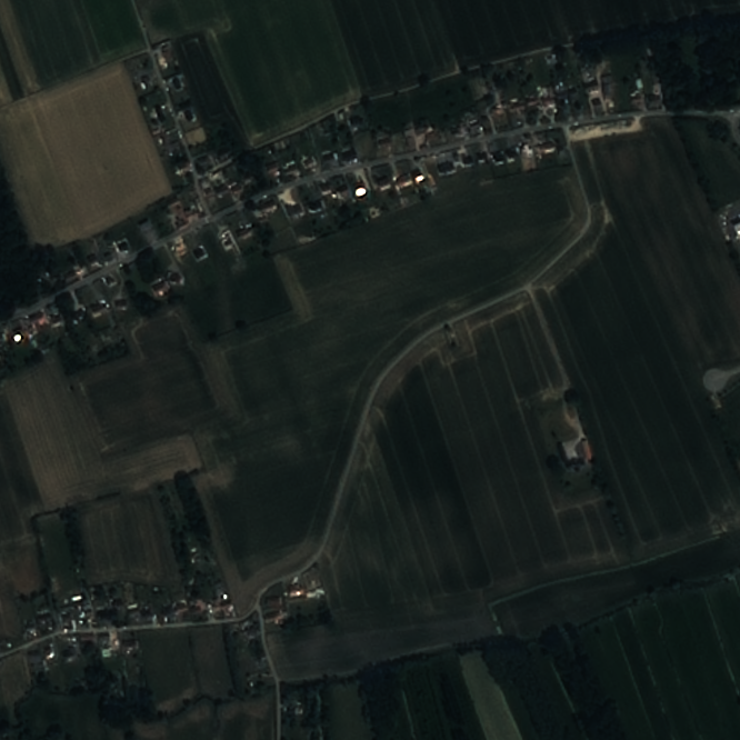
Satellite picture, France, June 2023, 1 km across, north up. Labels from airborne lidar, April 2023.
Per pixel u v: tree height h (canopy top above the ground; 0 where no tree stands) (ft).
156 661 0
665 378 0
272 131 0
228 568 0
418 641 0
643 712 0
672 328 0
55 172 0
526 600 0
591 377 0
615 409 0
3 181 78
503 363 0
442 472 0
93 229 0
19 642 0
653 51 80
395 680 106
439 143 0
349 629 0
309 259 0
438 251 0
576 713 0
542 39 0
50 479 0
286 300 0
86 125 0
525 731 0
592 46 66
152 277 38
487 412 0
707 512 0
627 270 0
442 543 0
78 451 0
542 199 0
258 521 0
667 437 0
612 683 0
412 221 0
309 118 0
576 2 0
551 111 0
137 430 0
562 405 0
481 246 0
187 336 0
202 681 0
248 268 0
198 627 0
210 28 0
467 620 0
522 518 0
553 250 0
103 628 0
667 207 0
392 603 0
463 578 0
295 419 0
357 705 0
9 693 0
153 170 0
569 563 0
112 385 0
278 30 0
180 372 0
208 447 0
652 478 0
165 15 0
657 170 0
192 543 0
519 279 0
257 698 0
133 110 0
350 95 0
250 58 0
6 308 70
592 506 0
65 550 0
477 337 0
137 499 0
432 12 0
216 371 0
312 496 0
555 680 0
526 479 0
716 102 72
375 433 0
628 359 0
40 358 38
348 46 0
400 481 0
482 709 0
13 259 91
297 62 0
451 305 0
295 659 0
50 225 0
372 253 0
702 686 0
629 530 0
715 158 0
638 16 0
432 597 0
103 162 0
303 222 0
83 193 0
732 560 0
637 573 0
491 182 0
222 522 0
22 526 0
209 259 0
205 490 0
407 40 0
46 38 0
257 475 0
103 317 0
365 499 0
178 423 0
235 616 0
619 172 0
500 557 0
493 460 0
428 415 0
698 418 0
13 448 0
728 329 0
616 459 0
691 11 0
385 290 0
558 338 0
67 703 0
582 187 0
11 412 0
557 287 0
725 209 0
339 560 0
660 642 0
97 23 0
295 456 0
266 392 0
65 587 0
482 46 0
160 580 0
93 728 0
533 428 0
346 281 0
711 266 0
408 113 0
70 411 0
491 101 34
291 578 0
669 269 0
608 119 0
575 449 0
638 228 0
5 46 0
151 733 0
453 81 0
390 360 0
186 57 0
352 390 0
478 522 0
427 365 0
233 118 0
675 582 41
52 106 0
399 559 0
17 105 0
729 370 0
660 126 0
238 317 0
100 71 0
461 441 0
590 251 0
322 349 0
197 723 0
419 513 0
